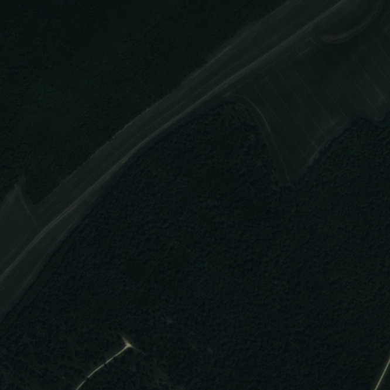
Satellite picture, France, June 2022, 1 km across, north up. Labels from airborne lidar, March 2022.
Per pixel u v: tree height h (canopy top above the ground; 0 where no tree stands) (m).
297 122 0
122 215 24
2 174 21
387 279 0
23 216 0
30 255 0
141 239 0
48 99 0
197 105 0
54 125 8
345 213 0
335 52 0
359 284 0
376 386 0
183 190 13
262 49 0
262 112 0
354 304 0
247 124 21
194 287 23
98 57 0
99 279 19
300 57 0
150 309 0
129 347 0
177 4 0
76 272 22
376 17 0
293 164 0
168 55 0
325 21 0
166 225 10
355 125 14
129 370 0
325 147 0
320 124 0
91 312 0
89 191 0
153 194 16
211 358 25
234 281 21
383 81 0
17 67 21
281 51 0
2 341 16
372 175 19
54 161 8
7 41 9
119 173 0
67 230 0
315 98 0
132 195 16
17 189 0
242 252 0
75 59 0
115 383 0
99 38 0
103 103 0
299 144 0
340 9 0
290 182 0
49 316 12
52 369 0
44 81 0
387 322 0
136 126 0
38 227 0
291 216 16
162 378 0
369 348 0
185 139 20
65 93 0
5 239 0
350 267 0
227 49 0
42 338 0
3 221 0
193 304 0
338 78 0
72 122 7
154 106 0
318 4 0
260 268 22
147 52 0
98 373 0
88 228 21
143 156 11
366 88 0
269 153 12
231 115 0
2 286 0
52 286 21
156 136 0
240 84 0
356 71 0
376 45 0
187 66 0
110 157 0
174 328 17
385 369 0
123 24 0
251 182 0
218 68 0
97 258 19
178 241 17
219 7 0
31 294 0
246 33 0
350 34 0
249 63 0
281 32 0
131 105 0
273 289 23
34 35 13
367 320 0
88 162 0
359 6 0
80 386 0
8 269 0
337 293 0
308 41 0
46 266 0
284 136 0
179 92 0
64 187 0
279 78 0
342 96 0
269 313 21
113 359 0
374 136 17
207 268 16
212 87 0
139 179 21
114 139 0
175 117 0
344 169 0
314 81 0
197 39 0
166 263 0
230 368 0
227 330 30
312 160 0
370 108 0
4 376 19
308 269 0
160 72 0
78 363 0
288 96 0
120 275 9
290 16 0
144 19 0
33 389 0
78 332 0
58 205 0
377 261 15
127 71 0
